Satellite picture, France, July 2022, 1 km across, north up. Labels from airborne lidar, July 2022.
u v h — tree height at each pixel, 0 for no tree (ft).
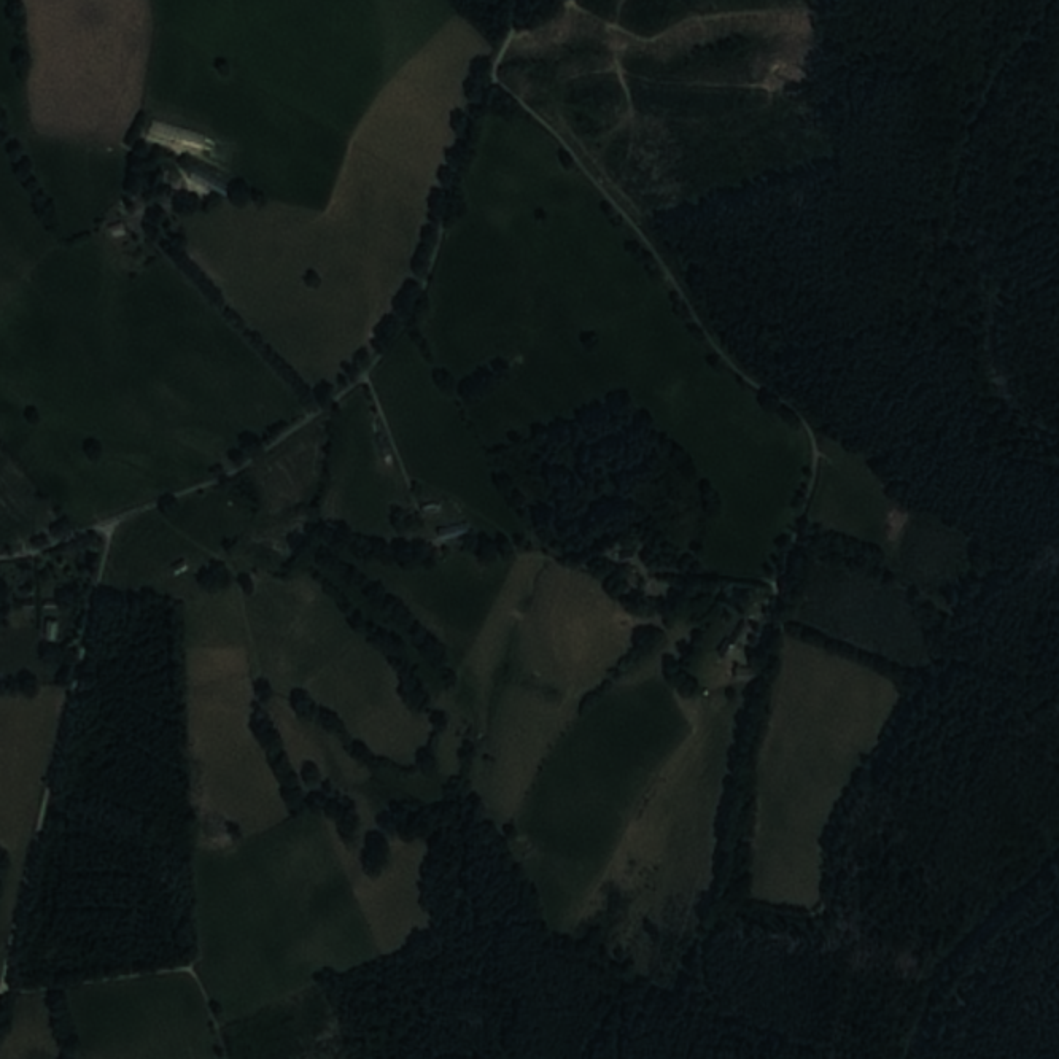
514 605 0
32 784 0
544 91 0
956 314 84
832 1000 70
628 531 62
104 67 0
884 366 74
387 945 0
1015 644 102
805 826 0
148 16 0
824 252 80
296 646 0
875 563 28
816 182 79
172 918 31
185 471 0
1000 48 54
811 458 0
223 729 0
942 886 62
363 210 0
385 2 0
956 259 83
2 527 0
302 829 0
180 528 0
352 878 0
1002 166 62
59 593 42
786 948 73
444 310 0
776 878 0
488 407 0
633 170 0
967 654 74
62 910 27
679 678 68
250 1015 0
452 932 78
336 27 0
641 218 0
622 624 0
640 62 0
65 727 52
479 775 0
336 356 0
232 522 0
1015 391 56
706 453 0
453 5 44
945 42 67
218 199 36
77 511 0
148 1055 0
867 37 48
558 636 0
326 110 0
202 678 0
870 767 44
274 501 0
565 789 0
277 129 0
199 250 0
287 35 0
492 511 0
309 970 0
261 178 0
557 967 60
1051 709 74
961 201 52
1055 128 42
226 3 0
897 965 96
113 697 34
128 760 38
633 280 0
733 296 76
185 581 0
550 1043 75
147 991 0
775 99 0
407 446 0
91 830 24
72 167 0
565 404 0
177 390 0
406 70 0
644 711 0
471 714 0
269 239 0
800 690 0
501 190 0
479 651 0
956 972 93
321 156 0
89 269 0
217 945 0
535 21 62
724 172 0
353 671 0
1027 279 82
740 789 56
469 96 52
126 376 0
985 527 91
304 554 91
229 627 0
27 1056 0
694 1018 65
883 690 0
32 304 0
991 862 64
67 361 0
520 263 0
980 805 68
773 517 0
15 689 52
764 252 78
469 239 0
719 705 0
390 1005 32
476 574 0
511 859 41
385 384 0
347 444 0
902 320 79
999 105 70
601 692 23
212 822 0
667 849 0
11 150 48
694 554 52
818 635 39
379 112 0
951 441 70
